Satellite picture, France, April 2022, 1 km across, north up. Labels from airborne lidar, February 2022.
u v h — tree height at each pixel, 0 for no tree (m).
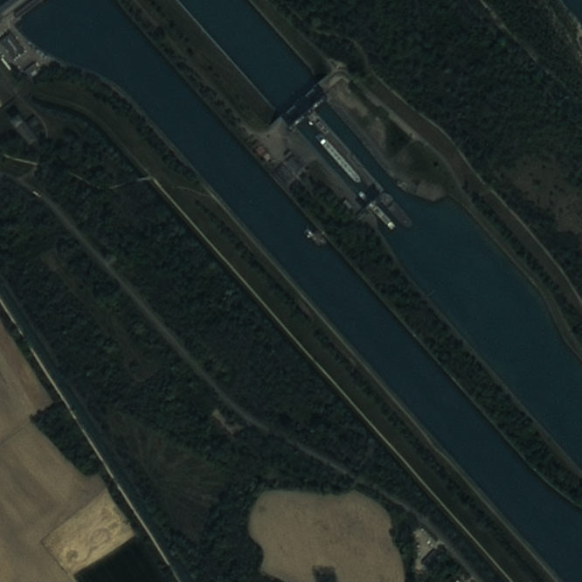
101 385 6
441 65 7
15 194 25
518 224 0
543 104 13
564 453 0
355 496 0
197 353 25
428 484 0
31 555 0
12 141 20
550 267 0
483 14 17
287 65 0
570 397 0
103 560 0
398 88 12
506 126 12
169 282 9
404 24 7
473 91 9
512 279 0
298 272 0
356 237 14
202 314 28
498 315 0
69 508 0
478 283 0
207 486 0
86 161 12
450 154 0
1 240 20
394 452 0
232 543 24
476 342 0
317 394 21
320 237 0
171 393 14
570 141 7
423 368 0
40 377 8
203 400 0
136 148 0
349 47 12
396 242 0
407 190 0
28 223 19
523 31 12
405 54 10
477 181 0
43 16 0
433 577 19
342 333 0
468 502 25
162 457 0
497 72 13
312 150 0
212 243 0
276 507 0
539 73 20
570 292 0
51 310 6
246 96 0
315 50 0
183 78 0
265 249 0
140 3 0
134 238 17
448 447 0
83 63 0
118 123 0
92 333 8
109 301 16
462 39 17
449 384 0
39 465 0
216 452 23
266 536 0
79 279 9
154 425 10
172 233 26
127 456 18
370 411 0
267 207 0
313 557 0
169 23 0
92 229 27
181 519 0
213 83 0
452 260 0
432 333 14
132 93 0
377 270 15
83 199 19
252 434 21
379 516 0
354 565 0
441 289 0
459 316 0
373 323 0
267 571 0
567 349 0
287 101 0
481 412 0
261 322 8
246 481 18
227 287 7
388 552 0
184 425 9
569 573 0
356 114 0
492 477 0
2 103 0
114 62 0
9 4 0
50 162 14
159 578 0
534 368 0
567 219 0
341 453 22
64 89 0
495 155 20
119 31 0
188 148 0
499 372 0
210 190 0
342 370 0
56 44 0
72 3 0
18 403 0
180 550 19
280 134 0
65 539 0
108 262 20
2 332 0
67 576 0
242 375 25
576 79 10
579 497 25
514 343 0
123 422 0
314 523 0
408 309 14
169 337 0
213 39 0
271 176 0
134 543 0
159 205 19
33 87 0
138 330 12
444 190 0
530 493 0
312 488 7
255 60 0
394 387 0
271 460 20
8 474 0
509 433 9
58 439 11
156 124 0
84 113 0
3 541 0
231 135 0
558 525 0
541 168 0
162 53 0
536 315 0
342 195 0
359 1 15
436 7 14
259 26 0
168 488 0
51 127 0
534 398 0
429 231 0
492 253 0
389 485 13
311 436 16
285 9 15
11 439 0
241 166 0
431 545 0
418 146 0
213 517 8
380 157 0
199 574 18
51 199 0
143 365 0
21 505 0
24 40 0
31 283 12
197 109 0
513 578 0
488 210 9
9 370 0
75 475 0
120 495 8
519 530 0
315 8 16
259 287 0
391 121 0
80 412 0
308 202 22
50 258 0
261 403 20
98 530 0
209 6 0
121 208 0
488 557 0
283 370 26
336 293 0
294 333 0
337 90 0
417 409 0
